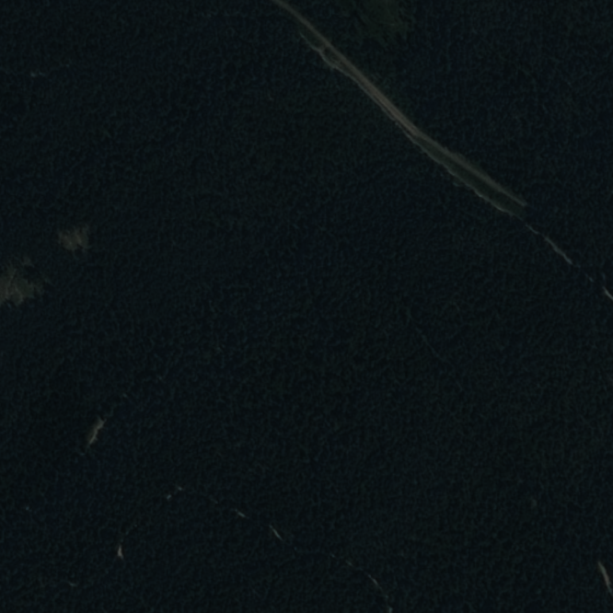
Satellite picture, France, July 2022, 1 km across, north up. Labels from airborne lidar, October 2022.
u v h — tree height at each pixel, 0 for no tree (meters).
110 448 13
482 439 20
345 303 25
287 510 27
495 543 19
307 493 28
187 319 23
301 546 24
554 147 27
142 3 25
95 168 35
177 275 18
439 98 30
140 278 21
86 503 37
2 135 26
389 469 12
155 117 38
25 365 17
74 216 15
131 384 6
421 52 33
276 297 13
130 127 31
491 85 33
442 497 21
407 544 16
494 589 7
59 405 14
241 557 18
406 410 14
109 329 36
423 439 23
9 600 12
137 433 22
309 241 28
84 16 23
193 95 12
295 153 12
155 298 18
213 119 19
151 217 18
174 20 27
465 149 17
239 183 21
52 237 15
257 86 15
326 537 23
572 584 18
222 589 20
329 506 28
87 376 34
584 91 30
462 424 14
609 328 24
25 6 23
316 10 31
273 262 19
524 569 12
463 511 20
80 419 16
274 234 30
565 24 14
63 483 22
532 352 21
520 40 30
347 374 11
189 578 16
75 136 19
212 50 19
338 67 0
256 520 14
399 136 15
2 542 9
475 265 16
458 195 15
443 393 16
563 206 19
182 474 18
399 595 22
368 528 20
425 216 21
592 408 20
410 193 10
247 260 18
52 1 9
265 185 23
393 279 25
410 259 14
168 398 18
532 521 18
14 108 19
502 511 14
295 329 22
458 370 16
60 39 24
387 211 19
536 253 32
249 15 24
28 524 28
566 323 26
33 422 16
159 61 17
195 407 21
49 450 15
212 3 25
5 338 24
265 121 20
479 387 11
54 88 16
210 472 18
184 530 21
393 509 21
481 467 19
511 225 25
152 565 12
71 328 24
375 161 10
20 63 24
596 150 31
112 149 28
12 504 22
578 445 20
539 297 24
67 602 7
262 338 21
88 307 24
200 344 27
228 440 21
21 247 20
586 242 19
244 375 30
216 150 19
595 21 16
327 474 21
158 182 20
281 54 32
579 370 21
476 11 18
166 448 20
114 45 30
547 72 34
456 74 32
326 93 20
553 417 6
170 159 23
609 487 27
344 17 35
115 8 28
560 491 19
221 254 27
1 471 11
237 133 17
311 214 26
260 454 19
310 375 11
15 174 27
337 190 30
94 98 12
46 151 23
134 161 23
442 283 17
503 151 25
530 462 17
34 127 17
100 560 19
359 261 21
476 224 20
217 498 26
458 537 13
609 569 29
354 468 13
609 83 29
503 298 13
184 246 20
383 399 20
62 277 28
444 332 17
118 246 20
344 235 18
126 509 12
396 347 16
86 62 30
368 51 33
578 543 18
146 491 18
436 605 16
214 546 19
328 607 24
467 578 17
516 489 13
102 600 18
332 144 22
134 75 13
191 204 19
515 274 25
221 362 34
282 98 16
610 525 21
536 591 18
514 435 16
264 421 25
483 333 22
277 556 24
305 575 22
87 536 22
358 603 22
